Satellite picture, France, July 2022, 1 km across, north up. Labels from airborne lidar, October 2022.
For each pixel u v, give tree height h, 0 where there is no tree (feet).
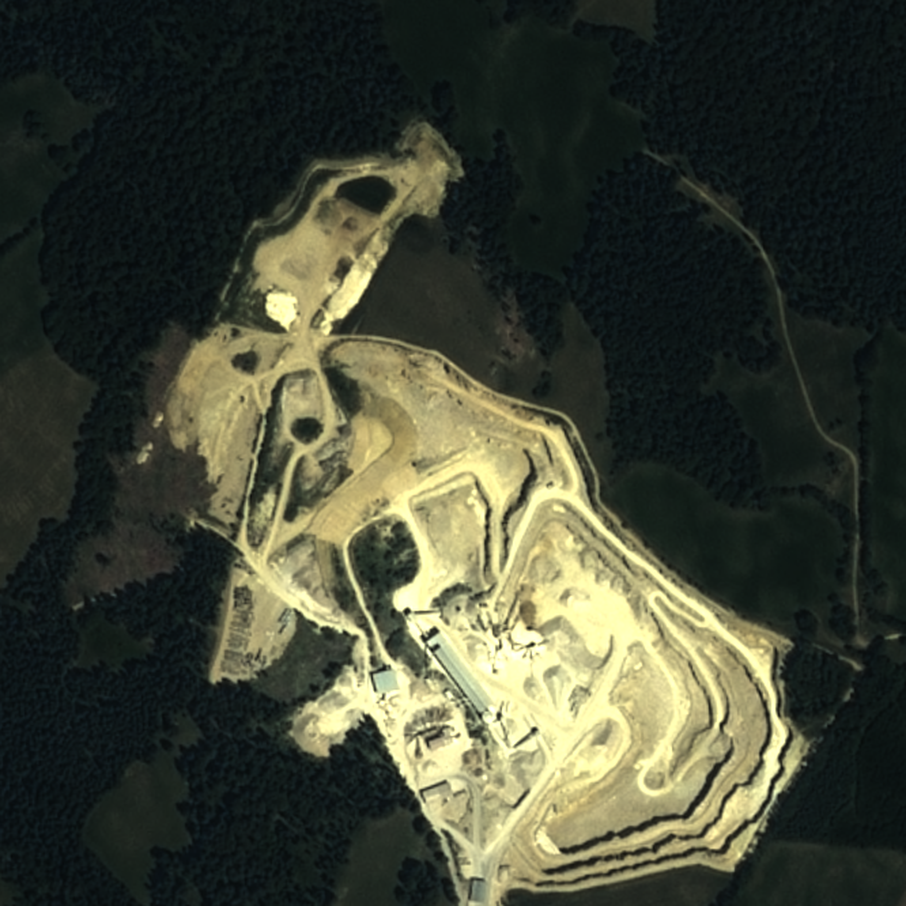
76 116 0
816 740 0
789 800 65
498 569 0
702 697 0
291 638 0
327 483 0
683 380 74
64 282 67
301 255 0
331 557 0
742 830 0
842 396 0
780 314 0
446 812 0
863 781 23
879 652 64
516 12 60
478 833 0
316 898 86
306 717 0
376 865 0
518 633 0
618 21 0
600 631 0
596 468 0
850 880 0
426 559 0
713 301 74
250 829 124
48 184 0
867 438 25
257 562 0
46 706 78
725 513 0
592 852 0
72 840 72
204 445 0
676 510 0
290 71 68
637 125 0
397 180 0
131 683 82
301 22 80
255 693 96
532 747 0
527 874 0
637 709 0
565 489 0
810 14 88
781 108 73
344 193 0
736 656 0
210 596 73
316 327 0
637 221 20
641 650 0
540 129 0
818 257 53
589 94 0
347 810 87
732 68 80
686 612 0
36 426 0
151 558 0
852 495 0
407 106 36
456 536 0
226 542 80
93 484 84
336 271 0
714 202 0
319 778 92
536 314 98
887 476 0
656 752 0
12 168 0
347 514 0
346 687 0
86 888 74
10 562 0
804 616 52
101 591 0
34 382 0
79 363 55
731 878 0
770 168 68
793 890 0
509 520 0
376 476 0
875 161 75
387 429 0
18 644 82
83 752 79
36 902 52
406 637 39
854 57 76
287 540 0
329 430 0
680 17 47
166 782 0
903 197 51
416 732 0
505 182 75
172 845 0
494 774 0
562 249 0
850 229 75
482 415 0
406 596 0
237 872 84
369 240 0
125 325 26
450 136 64
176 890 112
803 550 0
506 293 30
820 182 93
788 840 50
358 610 0
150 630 87
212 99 98
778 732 0
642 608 0
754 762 0
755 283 67
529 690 0
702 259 78
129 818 0
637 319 78
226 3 41
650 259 79
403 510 0
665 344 67
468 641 0
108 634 0
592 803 0
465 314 0
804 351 0
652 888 0
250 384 0
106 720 79
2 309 0
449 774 0
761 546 0
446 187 0
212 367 0
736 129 75
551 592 0
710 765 0
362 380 0
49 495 0
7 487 0
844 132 88
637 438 62
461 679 0
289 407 0
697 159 64
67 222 68
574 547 0
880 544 0
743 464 76
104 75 29
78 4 45
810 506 0
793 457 0
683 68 84
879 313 88
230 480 0
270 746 98
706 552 0
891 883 0
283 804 104
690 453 94
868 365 80
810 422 0
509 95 0
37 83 0
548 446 0
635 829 0
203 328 92
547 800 0
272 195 94
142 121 64
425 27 0
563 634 0
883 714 24
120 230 56
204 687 69
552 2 87
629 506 0
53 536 51
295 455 0
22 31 79
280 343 0
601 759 0
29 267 0
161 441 0
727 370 0
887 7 45
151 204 53
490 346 0
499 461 0
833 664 107
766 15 68
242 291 0
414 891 62
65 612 58
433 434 0
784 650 0
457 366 0
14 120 0
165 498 0
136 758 75
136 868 0
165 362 0
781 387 0
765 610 0
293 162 41
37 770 83
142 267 77
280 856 48
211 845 76
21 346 0
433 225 0
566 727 0
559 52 0
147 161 73
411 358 0
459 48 0
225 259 89
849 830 22
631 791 0
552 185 0
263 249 0
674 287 87
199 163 49
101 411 65
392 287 0
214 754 101
